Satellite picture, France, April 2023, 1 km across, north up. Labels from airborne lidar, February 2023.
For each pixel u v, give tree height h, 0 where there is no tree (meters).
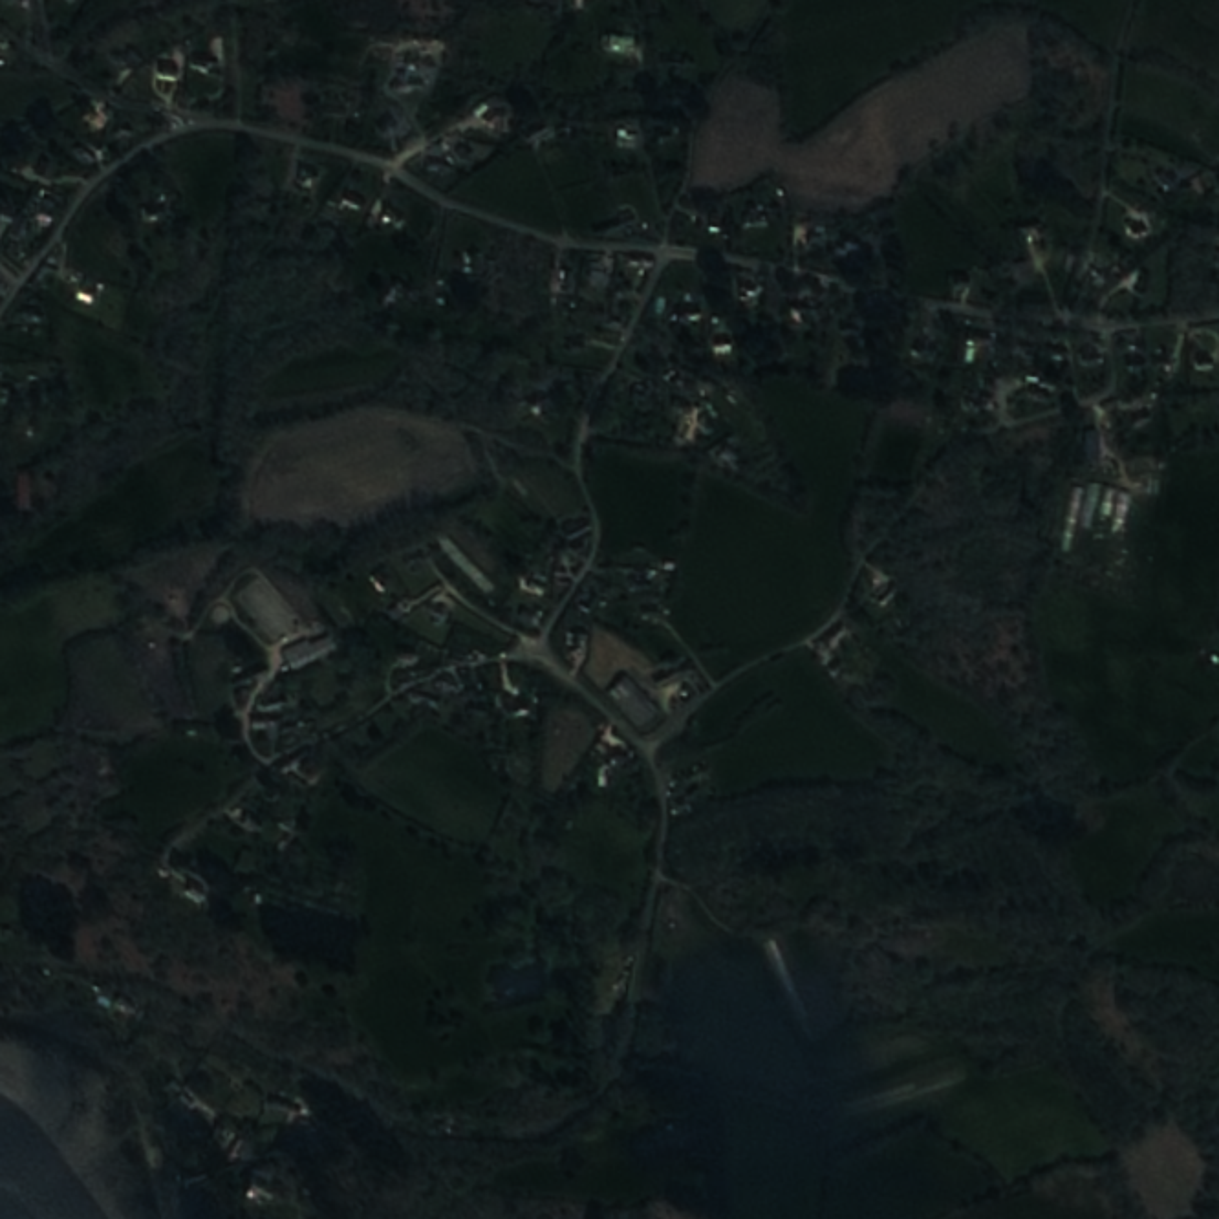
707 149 0
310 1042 9
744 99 0
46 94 0
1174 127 0
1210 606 0
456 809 0
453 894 0
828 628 0
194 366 15
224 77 8
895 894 13
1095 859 0
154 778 0
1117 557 0
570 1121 12
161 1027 13
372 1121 21
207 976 6
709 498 0
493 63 0
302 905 8
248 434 21
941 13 0
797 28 0
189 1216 19
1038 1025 15
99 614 0
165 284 11
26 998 18
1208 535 0
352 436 0
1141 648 0
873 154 0
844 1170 0
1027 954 9
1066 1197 0
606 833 0
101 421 11
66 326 0
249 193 17
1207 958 0
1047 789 12
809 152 0
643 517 0
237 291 15
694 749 9
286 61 0
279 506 0
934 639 7
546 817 10
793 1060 0
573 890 17
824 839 14
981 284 0
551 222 0
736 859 9
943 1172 0
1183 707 0
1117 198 0
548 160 0
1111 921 10
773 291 12
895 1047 0
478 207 0
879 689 10
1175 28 0
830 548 0
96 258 0
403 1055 0
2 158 12
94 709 0
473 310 13
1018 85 0
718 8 0
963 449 12
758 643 0
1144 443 9
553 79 0
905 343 8
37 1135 0
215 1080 9
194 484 0
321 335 16
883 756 0
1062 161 19
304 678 7
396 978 0
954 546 7
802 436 0
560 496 0
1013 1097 0
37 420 8
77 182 0
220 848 0
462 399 9
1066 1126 0
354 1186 15
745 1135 0
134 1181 0
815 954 0
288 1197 11
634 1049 8
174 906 0
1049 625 0
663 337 10
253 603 0
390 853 0
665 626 0
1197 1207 7
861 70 0
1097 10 0
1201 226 12
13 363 0
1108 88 0
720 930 0
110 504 0
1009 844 12
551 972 0
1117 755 0
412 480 0
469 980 0
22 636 0
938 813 9
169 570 0
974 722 0
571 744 0
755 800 7
